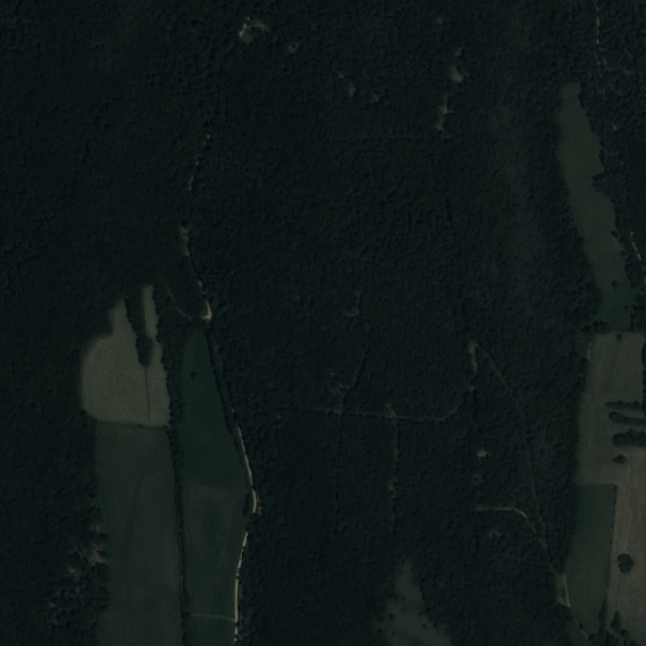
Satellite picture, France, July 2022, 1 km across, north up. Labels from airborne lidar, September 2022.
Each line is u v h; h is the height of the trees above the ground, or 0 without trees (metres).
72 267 18
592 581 0
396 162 18
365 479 20
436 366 13
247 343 26
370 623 13
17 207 30
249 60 20
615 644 18
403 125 14
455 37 17
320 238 17
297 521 17
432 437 16
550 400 17
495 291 14
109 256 22
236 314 27
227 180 20
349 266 19
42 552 22
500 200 17
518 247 7
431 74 17
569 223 23
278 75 18
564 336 14
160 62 19
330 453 13
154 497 0
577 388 23
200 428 0
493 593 11
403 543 19
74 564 31
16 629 26
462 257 18
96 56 16
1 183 30
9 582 22
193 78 25
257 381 23
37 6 26
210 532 0
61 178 20
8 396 28
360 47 12
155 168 23
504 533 11
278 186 20
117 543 0
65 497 24
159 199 28
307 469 21
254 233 14
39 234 27
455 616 12
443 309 13
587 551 0
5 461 26
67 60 24
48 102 20
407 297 12
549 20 9
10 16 27
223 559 0
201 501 0
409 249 14
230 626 0
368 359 16
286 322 17
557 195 16
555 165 20
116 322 0
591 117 19
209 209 21
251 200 18
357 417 15
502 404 12
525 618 9
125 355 0
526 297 6
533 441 13
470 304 18
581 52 15
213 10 24
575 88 0
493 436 11
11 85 25
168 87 27
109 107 24
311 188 13
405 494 21
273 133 20
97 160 24
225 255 19
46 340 23
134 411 0
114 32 13
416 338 15
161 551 0
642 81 8
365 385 16
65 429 26
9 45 26
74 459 28
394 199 27
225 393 20
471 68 17
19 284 32
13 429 27
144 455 0
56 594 27
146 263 23
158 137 27
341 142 14
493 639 11
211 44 23
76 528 23
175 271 26
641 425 11
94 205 16
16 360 25
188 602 8
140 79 22
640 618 0
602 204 0
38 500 24
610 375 0
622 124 12
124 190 22
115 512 0
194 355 0
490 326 11
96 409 0
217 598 0
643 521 0
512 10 9
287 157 26
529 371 12
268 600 17
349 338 14
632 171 13
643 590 0
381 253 16
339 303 13
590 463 0
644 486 0
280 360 15
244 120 19
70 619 26
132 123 21
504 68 9
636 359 0
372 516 20
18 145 27
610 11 21
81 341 18
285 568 19
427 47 16
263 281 18
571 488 16
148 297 0
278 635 17
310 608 19
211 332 25
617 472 0
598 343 0
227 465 0
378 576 18
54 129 19
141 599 0
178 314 11
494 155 9
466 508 16
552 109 21
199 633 0
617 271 0
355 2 15
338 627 11
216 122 20
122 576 0
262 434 15
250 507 11
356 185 16
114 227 21
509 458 14
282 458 16
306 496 20
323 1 14
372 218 6
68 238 26
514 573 12
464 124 12
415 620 0
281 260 22
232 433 14
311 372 16
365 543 12
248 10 23
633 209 14
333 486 15
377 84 20
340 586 15
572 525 12
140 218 21
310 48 16
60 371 23
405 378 12
